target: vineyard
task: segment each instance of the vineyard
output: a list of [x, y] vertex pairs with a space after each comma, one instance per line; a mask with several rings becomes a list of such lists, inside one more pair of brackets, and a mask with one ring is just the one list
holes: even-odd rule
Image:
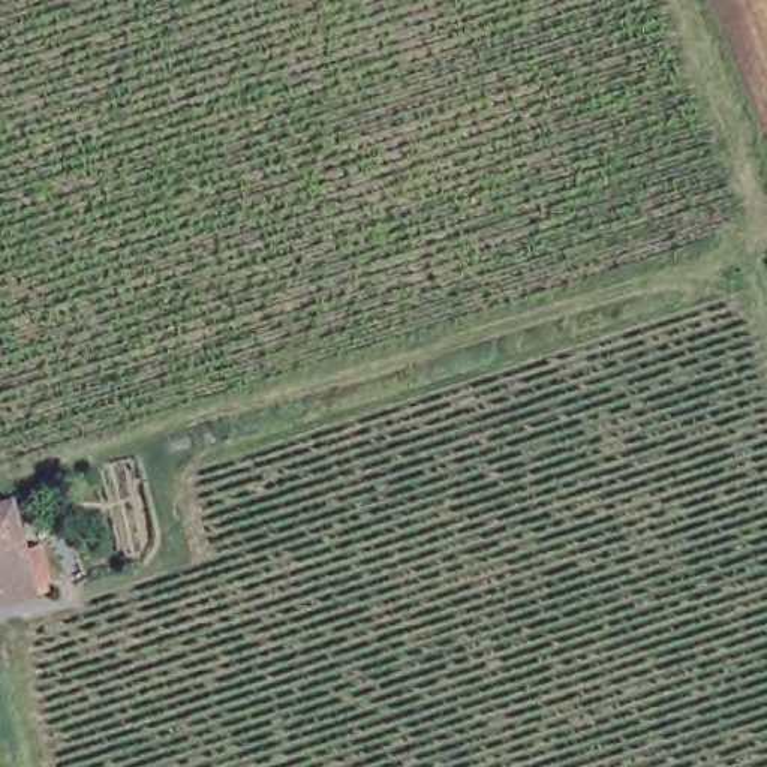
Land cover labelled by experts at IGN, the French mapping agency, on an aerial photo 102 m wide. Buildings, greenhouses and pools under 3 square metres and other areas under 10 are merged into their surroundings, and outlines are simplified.
[[659, 321], [647, 321], [635, 330], [608, 333], [605, 339], [593, 339], [569, 351], [545, 354], [542, 360], [521, 363], [515, 369], [476, 378], [473, 386], [458, 389], [446, 398], [443, 392], [431, 392], [404, 404], [389, 404], [384, 410], [363, 413], [351, 422], [327, 425], [294, 440], [282, 440], [255, 452], [234, 455], [228, 461], [207, 464], [198, 473], [204, 536], [213, 545], [213, 560], [195, 563], [135, 584], [135, 596], [117, 599], [114, 593], [102, 593], [87, 602], [84, 611], [69, 611], [66, 623], [84, 629], [81, 638], [72, 638], [63, 629], [57, 641], [54, 635], [48, 635], [42, 623], [36, 626], [36, 647], [54, 653], [54, 659], [39, 662], [36, 689], [45, 698], [48, 725], [57, 725], [57, 731], [66, 734], [66, 746], [57, 752], [57, 767], [767, 767], [767, 398], [764, 378], [752, 357], [752, 336], [746, 324], [734, 318], [734, 312], [725, 303], [707, 303]]
[[548, 288], [605, 276], [611, 270], [650, 261], [656, 255], [677, 252], [692, 240], [716, 237], [719, 228], [731, 222], [731, 204], [740, 201], [740, 195], [731, 186], [734, 171], [716, 162], [716, 156], [710, 153], [710, 132], [701, 129], [710, 102], [704, 96], [692, 96], [683, 75], [677, 72], [683, 66], [683, 48], [665, 42], [668, 30], [677, 27], [677, 18], [659, 12], [665, 0], [0, 0], [0, 440], [54, 422], [63, 446], [75, 440], [99, 440], [123, 431], [132, 422], [162, 419], [174, 410], [195, 410], [216, 398], [252, 395], [276, 384], [291, 384], [297, 378], [336, 372], [398, 351], [416, 351], [446, 336], [464, 318], [473, 318], [485, 309], [542, 294]]

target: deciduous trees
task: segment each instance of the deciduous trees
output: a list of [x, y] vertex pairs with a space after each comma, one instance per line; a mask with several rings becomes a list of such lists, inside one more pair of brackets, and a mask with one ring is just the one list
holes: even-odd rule
[[78, 551], [90, 551], [105, 560], [111, 560], [111, 554], [120, 551], [111, 518], [96, 509], [81, 509], [72, 503], [69, 482], [78, 473], [72, 464], [63, 464], [60, 476], [24, 503], [27, 515], [33, 518], [30, 524], [30, 527], [51, 530], [60, 539]]

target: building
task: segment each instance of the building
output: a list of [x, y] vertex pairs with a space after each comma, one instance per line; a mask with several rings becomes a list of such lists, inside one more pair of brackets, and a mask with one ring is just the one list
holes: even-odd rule
[[0, 608], [33, 599], [36, 590], [48, 593], [51, 572], [45, 548], [27, 548], [24, 542], [24, 530], [30, 527], [30, 524], [21, 521], [15, 500], [0, 500]]

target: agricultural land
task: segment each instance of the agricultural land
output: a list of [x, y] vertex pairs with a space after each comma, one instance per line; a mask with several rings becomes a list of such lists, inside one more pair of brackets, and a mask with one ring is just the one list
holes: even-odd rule
[[731, 57], [740, 69], [740, 78], [749, 81], [758, 114], [764, 117], [761, 132], [767, 141], [767, 0], [710, 0], [722, 24], [722, 36], [728, 39]]
[[138, 494], [144, 485], [150, 485], [147, 461], [117, 458], [114, 464], [105, 464], [99, 476], [105, 500], [96, 500], [96, 509], [111, 518], [120, 551], [126, 557], [141, 560], [144, 566], [153, 566], [162, 551], [162, 524], [156, 518], [153, 497]]

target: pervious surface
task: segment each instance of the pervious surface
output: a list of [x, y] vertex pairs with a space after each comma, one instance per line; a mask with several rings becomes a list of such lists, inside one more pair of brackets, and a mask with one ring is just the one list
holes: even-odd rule
[[63, 572], [51, 572], [48, 593], [36, 590], [33, 599], [0, 608], [0, 623], [12, 617], [42, 617], [54, 611], [69, 611], [84, 611], [87, 602], [81, 587], [84, 566], [78, 560], [78, 551], [60, 539], [54, 542], [54, 551], [63, 563]]

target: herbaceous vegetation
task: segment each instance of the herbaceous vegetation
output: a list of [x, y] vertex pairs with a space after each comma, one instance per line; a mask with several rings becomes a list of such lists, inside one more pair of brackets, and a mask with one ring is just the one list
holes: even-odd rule
[[54, 635], [57, 641], [63, 629], [72, 638], [81, 638], [84, 629], [66, 623], [69, 611], [54, 611], [42, 617], [12, 617], [0, 623], [0, 767], [57, 767], [57, 752], [66, 746], [66, 734], [57, 731], [57, 725], [48, 725], [45, 698], [36, 689], [39, 662], [54, 659], [54, 653], [36, 647], [36, 626], [42, 623], [48, 635]]
[[446, 398], [458, 389], [473, 386], [476, 378], [515, 369], [521, 363], [542, 360], [545, 354], [569, 351], [593, 339], [605, 339], [608, 333], [635, 330], [647, 321], [659, 321], [707, 303], [725, 303], [734, 312], [734, 318], [746, 324], [752, 336], [752, 357], [764, 378], [767, 398], [767, 141], [761, 132], [764, 117], [758, 114], [749, 81], [740, 78], [740, 69], [731, 57], [728, 39], [722, 36], [722, 24], [710, 0], [665, 0], [659, 12], [677, 18], [677, 27], [668, 30], [665, 42], [683, 48], [683, 66], [677, 72], [683, 75], [692, 96], [704, 96], [710, 102], [701, 129], [710, 132], [710, 153], [716, 156], [716, 162], [734, 171], [731, 186], [740, 195], [740, 201], [731, 204], [731, 222], [719, 228], [716, 237], [692, 240], [677, 252], [656, 255], [650, 261], [611, 270], [605, 276], [548, 288], [542, 294], [485, 309], [473, 318], [464, 318], [446, 336], [416, 351], [398, 351], [336, 372], [297, 378], [291, 384], [276, 384], [252, 395], [216, 398], [195, 410], [174, 410], [162, 419], [132, 422], [123, 431], [99, 440], [75, 440], [63, 446], [54, 422], [0, 440], [0, 500], [15, 500], [21, 521], [30, 524], [33, 518], [27, 515], [24, 503], [60, 476], [63, 464], [72, 464], [78, 473], [69, 482], [72, 503], [81, 509], [96, 509], [96, 500], [105, 500], [99, 476], [105, 464], [114, 464], [117, 458], [147, 461], [150, 485], [144, 485], [138, 494], [153, 497], [156, 518], [162, 524], [162, 551], [153, 566], [144, 566], [141, 560], [126, 557], [120, 551], [111, 554], [111, 560], [105, 560], [90, 551], [78, 551], [78, 560], [84, 566], [81, 587], [87, 602], [102, 593], [114, 593], [117, 599], [135, 596], [135, 584], [195, 563], [189, 554], [186, 530], [174, 518], [171, 497], [174, 476], [183, 467], [198, 473], [207, 464], [228, 461], [234, 455], [255, 452], [282, 440], [294, 440], [327, 425], [351, 422], [363, 413], [384, 410], [389, 404], [404, 404], [431, 392], [443, 392]]
[[54, 542], [60, 539], [51, 530], [30, 527], [24, 530], [24, 542], [27, 548], [45, 548], [51, 572], [63, 572], [63, 563], [54, 551]]

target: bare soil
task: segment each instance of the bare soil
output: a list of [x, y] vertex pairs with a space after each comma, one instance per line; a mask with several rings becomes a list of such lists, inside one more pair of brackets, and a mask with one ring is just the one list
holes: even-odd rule
[[195, 563], [213, 560], [213, 545], [204, 536], [198, 473], [183, 467], [174, 476], [171, 497], [174, 518], [186, 530], [189, 554]]

